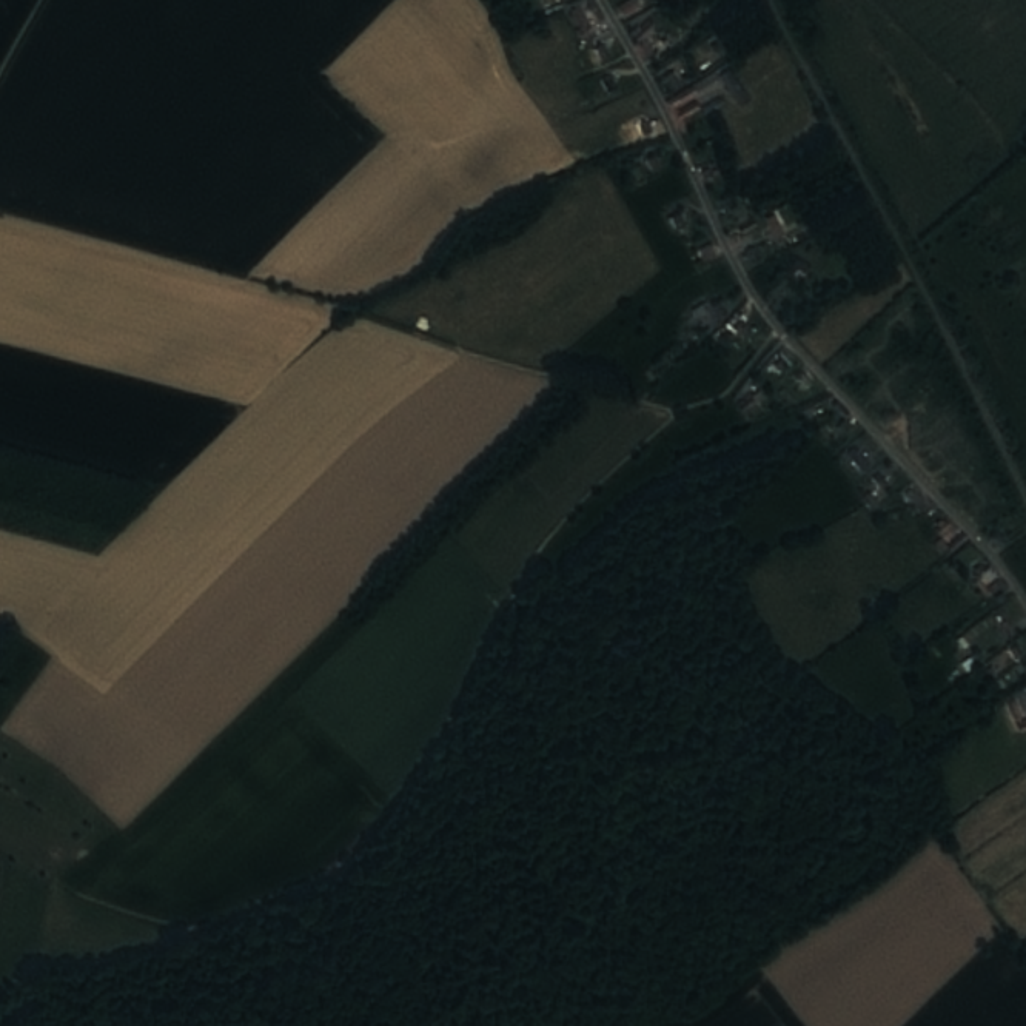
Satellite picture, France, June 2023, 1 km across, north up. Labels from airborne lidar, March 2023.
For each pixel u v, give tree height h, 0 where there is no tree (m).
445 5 0
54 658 0
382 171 0
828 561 0
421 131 0
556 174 8
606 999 24
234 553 0
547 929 23
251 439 0
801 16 10
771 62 0
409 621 0
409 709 0
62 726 0
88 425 0
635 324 0
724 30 29
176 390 0
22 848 0
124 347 0
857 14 0
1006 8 0
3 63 0
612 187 0
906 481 0
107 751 0
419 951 23
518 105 0
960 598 0
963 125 0
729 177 22
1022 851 0
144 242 0
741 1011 0
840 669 0
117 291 0
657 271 0
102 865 0
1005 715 0
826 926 0
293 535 0
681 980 26
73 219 0
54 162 0
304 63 0
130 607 0
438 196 0
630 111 0
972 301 0
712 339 9
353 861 25
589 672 25
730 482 14
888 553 0
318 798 0
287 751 0
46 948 0
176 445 0
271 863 0
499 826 17
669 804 23
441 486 0
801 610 0
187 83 0
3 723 0
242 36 0
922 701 21
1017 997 0
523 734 23
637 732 25
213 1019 23
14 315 0
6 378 0
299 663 0
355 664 0
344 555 0
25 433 0
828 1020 0
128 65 0
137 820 0
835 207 35
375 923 21
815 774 24
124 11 0
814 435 11
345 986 24
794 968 0
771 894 25
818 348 0
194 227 0
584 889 23
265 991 23
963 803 0
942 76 0
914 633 0
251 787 0
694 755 26
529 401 0
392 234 0
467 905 25
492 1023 21
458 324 0
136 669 0
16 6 0
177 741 0
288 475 0
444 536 14
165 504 0
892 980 0
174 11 0
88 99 0
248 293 0
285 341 0
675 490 23
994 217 0
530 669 24
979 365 16
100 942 0
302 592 0
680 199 0
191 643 0
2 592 0
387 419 0
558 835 24
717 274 0
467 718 16
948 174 0
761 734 28
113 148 0
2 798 0
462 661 0
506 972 26
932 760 15
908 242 7
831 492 0
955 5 0
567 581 17
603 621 26
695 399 0
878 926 0
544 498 0
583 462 0
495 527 0
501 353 0
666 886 22
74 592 0
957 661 0
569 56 0
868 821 24
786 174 20
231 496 0
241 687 0
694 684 22
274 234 0
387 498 0
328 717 0
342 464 0
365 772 0
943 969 0
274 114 0
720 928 25
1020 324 0
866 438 0
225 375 0
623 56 0
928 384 38
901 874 0
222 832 0
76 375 0
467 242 20
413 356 0
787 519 0
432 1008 21
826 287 13
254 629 0
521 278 0
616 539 20
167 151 0
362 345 0
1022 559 0
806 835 17
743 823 23
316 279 0
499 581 0
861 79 0
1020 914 0
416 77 0
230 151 0
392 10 0
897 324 32
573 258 0
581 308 0
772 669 25
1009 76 0
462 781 22
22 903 0
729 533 21
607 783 24
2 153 0
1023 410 0
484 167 0
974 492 32
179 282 0
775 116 0
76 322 0
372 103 0
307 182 0
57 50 0
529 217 13
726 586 26
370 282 0
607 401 0
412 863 20
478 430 0
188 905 0
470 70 0
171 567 0
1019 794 0
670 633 23
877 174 7
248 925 25
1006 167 7
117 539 0
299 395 0
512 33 10
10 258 0
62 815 0
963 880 0
